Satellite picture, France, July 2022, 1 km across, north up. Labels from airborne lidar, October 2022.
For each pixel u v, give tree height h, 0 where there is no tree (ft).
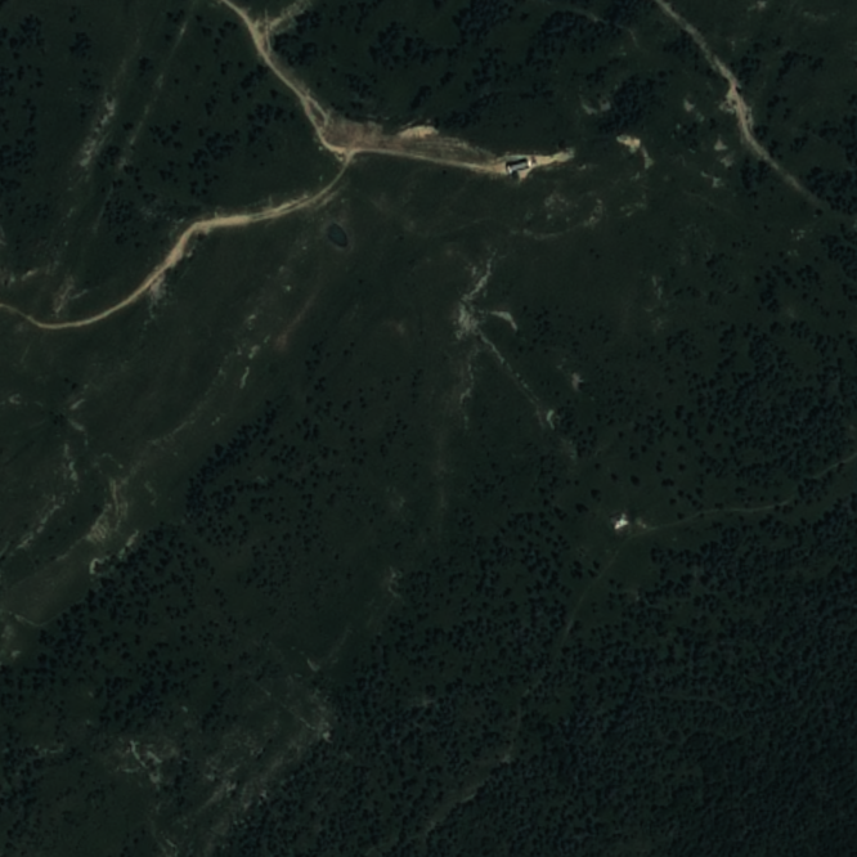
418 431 0
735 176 0
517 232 0
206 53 0
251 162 0
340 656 0
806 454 31
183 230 0
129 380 0
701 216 0
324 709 0
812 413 19
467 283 0
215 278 0
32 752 29
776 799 53
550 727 48
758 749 47
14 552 0
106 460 0
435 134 0
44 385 0
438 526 0
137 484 0
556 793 29
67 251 0
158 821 0
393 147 0
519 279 0
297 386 0
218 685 35
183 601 0
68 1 0
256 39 0
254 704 0
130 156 0
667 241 0
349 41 0
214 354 0
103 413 0
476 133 0
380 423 0
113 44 0
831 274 0
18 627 0
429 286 0
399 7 0
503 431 0
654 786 33
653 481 0
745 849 40
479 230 0
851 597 51
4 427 0
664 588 24
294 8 0
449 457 0
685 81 0
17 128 0
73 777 0
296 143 0
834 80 0
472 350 0
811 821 30
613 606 25
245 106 0
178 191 0
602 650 27
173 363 0
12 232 0
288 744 0
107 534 0
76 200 0
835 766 31
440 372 0
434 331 0
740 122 0
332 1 0
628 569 0
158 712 29
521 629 53
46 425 0
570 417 25
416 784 56
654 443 27
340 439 0
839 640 29
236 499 37
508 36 0
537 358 0
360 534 0
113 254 0
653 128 0
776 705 27
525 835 38
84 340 0
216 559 0
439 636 45
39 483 0
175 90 0
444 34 0
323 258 0
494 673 26
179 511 0
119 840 0
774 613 21
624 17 54
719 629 0
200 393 0
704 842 40
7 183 28
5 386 0
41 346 0
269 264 0
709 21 0
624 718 58
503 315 0
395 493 0
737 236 0
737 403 43
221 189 0
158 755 0
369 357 0
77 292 0
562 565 49
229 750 0
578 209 0
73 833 0
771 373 49
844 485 0
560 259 0
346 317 0
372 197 0
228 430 0
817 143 0
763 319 0
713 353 0
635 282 0
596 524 0
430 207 0
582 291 0
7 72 24
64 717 20
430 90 41
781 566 39
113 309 0
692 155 0
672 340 25
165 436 0
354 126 0
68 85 0
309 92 0
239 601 0
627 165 0
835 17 0
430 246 0
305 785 49
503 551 51
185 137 0
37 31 34
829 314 23
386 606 0
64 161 0
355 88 30
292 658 0
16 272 0
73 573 0
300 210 0
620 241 0
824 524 45
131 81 0
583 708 38
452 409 0
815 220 0
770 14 0
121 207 20
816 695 37
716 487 0
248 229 0
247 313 0
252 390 0
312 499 30
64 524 0
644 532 0
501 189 0
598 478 0
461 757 52
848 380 38
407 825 50
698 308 0
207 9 0
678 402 0
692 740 36
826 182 40
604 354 0
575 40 19
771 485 24
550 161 0
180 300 0
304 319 0
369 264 0
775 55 0
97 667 32
